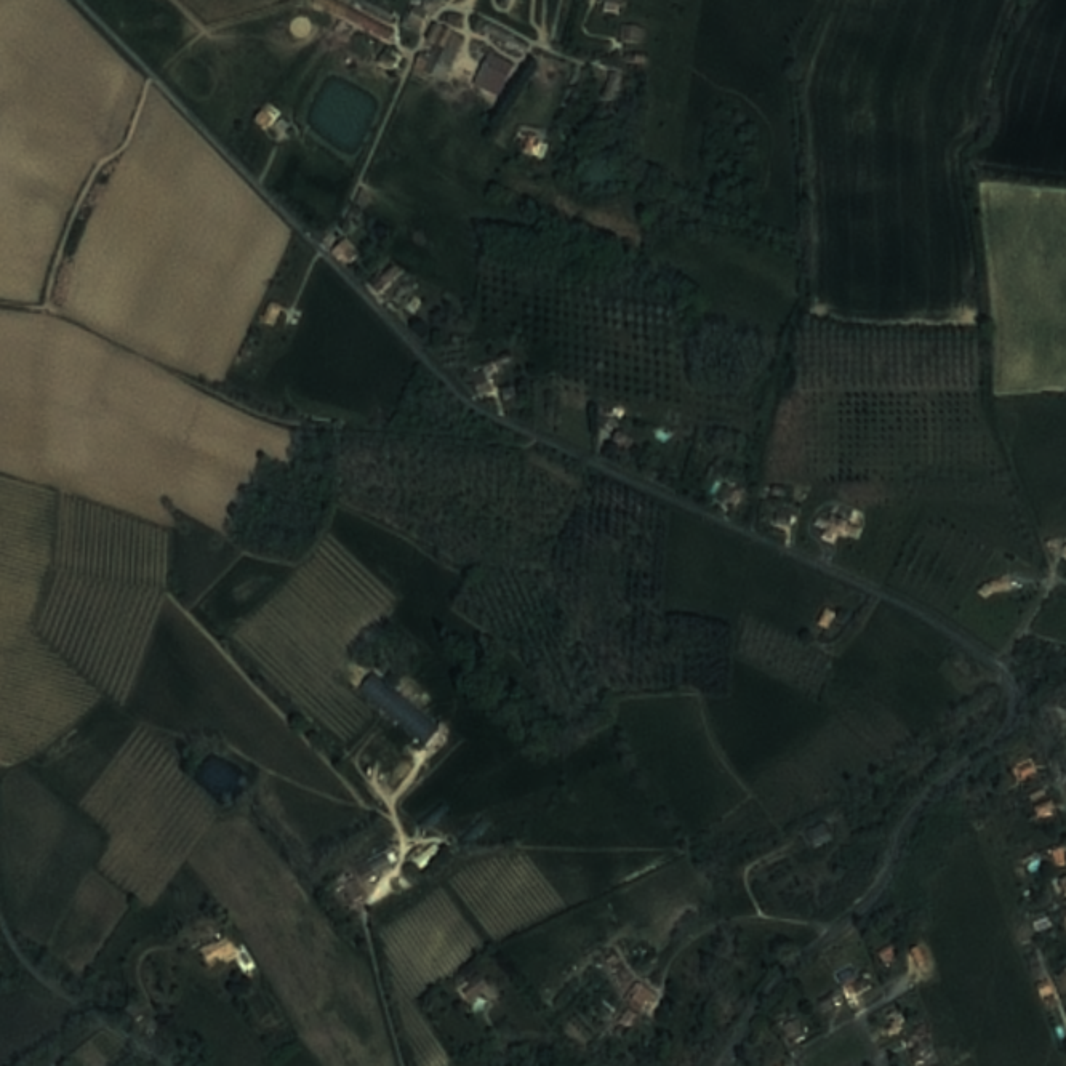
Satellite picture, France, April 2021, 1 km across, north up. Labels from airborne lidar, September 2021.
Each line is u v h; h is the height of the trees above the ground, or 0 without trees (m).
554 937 0
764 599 0
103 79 0
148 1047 20
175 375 0
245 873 0
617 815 0
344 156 0
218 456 0
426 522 8
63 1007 0
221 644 8
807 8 0
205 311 0
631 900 0
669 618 8
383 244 14
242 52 0
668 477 8
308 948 0
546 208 8
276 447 0
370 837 15
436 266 0
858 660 0
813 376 24
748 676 0
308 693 0
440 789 0
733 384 19
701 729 0
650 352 11
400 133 0
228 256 0
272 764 0
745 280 0
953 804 20
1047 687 13
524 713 24
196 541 0
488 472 11
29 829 0
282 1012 0
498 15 0
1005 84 0
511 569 10
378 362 0
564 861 0
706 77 0
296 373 0
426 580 0
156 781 0
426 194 0
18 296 0
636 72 11
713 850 8
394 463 11
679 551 0
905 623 0
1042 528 0
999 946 0
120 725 0
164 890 0
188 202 0
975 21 0
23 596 0
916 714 0
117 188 0
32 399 0
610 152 10
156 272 0
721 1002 24
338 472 14
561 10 0
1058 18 0
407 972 0
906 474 7
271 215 0
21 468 0
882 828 12
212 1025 0
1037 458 0
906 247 0
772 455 7
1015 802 10
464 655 24
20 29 0
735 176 9
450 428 9
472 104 0
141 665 0
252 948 0
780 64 0
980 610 0
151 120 0
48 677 0
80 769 0
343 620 0
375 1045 0
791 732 0
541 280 17
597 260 20
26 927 0
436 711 0
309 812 0
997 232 0
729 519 6
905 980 0
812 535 0
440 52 0
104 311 0
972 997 0
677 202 21
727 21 0
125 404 0
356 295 0
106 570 0
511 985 6
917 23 0
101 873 0
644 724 0
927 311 0
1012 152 0
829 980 0
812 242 8
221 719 0
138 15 0
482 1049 9
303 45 0
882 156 0
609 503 8
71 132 0
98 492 0
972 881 0
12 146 0
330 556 0
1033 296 0
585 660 8
